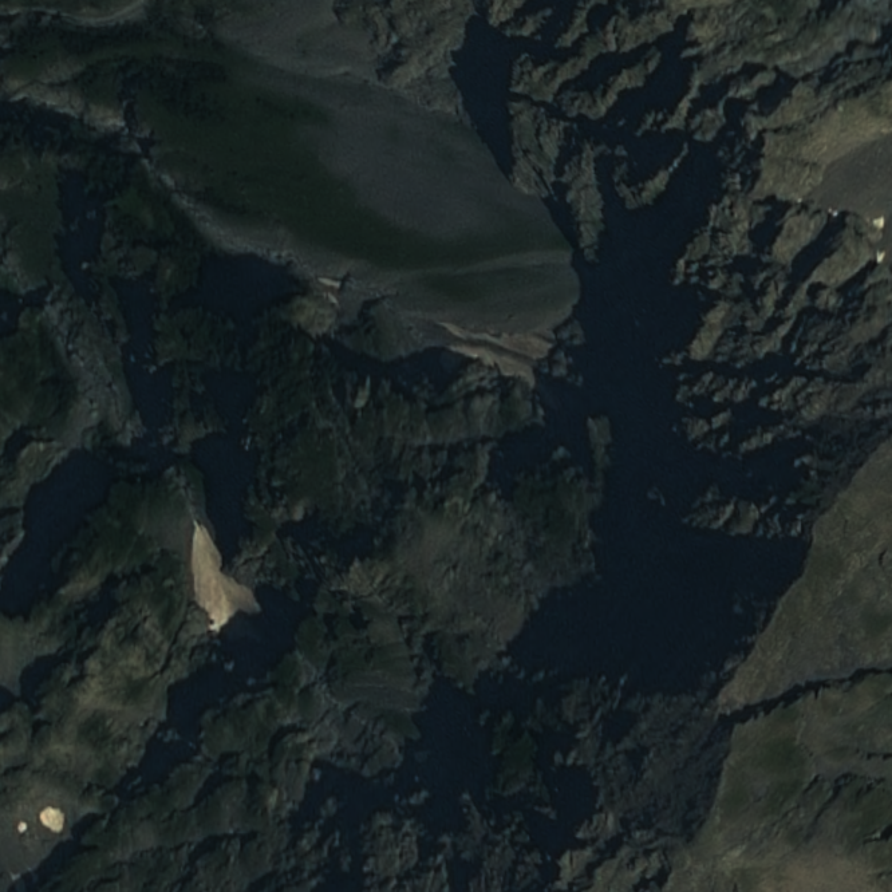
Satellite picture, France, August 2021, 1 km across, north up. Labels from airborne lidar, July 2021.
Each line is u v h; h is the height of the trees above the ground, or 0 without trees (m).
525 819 0
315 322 0
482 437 0
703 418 0
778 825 0
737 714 0
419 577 0
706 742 0
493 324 0
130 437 0
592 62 0
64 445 0
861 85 0
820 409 0
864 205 0
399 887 0
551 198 0
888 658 0
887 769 0
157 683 0
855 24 0
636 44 0
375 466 0
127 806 0
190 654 0
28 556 0
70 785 0
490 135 0
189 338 10
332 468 0
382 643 0
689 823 0
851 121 0
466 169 0
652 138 0
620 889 0
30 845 0
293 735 0
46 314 0
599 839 0
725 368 0
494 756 0
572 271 0
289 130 0
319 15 0
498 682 0
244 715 0
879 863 0
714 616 0
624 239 0
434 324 0
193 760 0
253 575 0
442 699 0
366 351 0
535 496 0
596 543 0
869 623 0
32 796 0
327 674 0
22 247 0
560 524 0
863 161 0
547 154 0
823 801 0
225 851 0
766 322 0
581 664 0
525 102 0
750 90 0
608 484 0
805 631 0
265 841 0
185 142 0
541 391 0
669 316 0
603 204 0
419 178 0
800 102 0
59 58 0
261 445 0
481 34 0
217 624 0
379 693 0
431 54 0
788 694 0
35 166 0
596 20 0
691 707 0
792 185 0
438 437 0
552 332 0
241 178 0
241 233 0
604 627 0
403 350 0
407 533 0
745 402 0
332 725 0
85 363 0
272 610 0
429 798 0
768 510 0
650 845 0
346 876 0
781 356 0
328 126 0
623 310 0
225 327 6
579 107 0
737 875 0
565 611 0
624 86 0
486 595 0
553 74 0
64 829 0
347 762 0
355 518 0
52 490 0
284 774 0
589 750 0
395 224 0
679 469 0
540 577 0
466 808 0
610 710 0
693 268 0
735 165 0
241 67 0
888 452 0
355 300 0
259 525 0
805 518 0
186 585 0
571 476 0
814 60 0
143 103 0
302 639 0
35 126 8
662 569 0
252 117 0
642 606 0
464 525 0
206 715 0
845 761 0
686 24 0
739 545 0
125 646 0
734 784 0
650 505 0
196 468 0
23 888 0
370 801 0
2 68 0
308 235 0
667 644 0
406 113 0
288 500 0
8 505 0
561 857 0
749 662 0
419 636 0
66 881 0
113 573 0
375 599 0
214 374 0
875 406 0
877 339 0
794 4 0
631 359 0
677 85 0
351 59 0
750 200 0
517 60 0
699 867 0
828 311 0
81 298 0
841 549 0
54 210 0
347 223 0
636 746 0
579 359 0
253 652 0
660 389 0
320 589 0
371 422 0
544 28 0
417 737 0
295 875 0
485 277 0
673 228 0
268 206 0
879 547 0
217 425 0
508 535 0
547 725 0
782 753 0
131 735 0
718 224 0
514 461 0
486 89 0
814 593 0
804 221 0
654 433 0
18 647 0
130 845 0
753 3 0
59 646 0
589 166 0
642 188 0
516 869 0
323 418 0
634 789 0
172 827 0
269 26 0
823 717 0
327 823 0
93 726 0
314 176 0
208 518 0
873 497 0
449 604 0
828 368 0
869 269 0
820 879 0
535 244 0
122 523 20
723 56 0
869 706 0
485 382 0
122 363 0
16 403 0
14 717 0
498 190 0
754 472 0
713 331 0
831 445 0
